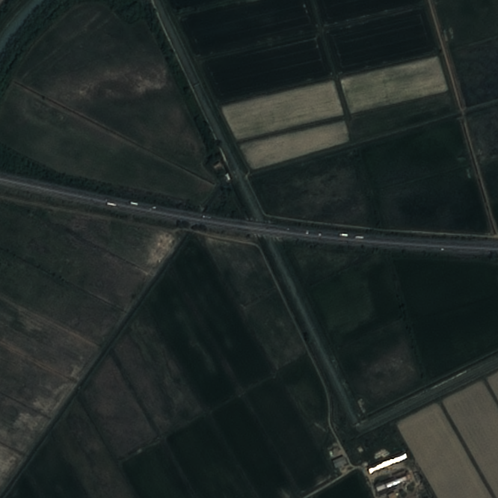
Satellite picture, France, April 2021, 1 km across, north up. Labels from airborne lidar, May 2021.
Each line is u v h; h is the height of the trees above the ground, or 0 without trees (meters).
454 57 0
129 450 0
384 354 0
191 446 0
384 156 0
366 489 0
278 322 0
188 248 0
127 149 0
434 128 0
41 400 0
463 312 0
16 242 0
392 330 0
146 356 0
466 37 0
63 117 0
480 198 0
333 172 0
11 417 0
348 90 0
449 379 0
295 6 0
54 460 0
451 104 0
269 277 0
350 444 0
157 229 0
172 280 0
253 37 0
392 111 0
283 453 0
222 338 0
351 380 0
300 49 0
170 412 0
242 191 0
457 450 0
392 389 0
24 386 0
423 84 0
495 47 0
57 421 0
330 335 0
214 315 0
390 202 0
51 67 0
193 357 0
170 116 0
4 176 0
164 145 0
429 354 0
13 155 8
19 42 7
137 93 0
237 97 0
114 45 0
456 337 0
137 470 0
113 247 0
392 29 0
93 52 0
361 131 0
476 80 0
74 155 0
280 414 0
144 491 0
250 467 0
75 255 0
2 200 0
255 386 0
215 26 0
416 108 0
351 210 0
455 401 0
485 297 0
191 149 0
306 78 0
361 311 0
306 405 0
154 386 0
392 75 0
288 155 0
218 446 0
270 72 0
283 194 0
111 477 0
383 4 0
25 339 0
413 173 0
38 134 0
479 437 0
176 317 0
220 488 0
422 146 0
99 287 0
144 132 0
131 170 0
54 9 8
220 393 0
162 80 0
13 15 0
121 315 0
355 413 0
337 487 0
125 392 0
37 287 0
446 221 0
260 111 0
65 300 0
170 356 0
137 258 0
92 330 0
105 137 0
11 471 0
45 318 0
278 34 0
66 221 0
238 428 0
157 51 0
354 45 0
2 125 0
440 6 0
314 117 0
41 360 0
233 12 0
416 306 0
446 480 0
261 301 0
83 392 0
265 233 0
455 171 0
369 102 0
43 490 0
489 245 0
